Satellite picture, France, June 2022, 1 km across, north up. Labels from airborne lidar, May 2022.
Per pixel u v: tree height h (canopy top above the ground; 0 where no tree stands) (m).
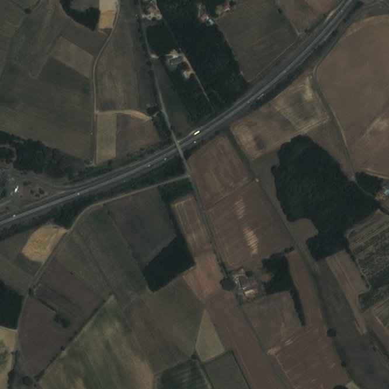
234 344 0
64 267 0
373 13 0
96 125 0
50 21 0
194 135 0
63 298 0
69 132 0
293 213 17
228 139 0
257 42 0
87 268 0
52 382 0
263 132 0
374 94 0
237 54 0
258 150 0
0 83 0
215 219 0
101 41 0
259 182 0
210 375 0
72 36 0
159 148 7
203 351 0
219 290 0
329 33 0
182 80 11
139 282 0
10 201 0
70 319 0
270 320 0
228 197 0
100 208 0
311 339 0
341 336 0
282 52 0
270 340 0
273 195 0
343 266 0
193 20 19
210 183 0
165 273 17
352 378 0
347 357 0
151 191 0
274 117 0
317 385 0
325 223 15
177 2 16
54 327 0
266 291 9
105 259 0
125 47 0
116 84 0
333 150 0
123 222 0
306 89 0
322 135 0
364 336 0
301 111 0
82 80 0
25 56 0
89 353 0
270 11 0
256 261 0
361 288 0
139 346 0
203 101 11
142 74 0
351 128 0
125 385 0
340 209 14
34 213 0
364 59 0
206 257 0
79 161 0
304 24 0
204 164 0
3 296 11
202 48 18
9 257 0
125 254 0
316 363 0
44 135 0
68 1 20
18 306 15
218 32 14
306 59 7
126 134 0
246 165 0
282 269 7
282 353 0
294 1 0
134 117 0
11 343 0
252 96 0
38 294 0
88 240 0
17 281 0
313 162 18
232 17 0
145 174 7
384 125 0
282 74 0
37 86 0
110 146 0
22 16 0
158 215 0
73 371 0
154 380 0
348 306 0
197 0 9
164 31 12
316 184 13
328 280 0
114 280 0
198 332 0
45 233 0
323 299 0
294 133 0
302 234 0
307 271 0
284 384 0
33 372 0
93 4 0
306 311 0
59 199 0
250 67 0
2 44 0
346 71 0
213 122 0
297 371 0
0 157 12
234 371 0
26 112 0
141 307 0
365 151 0
